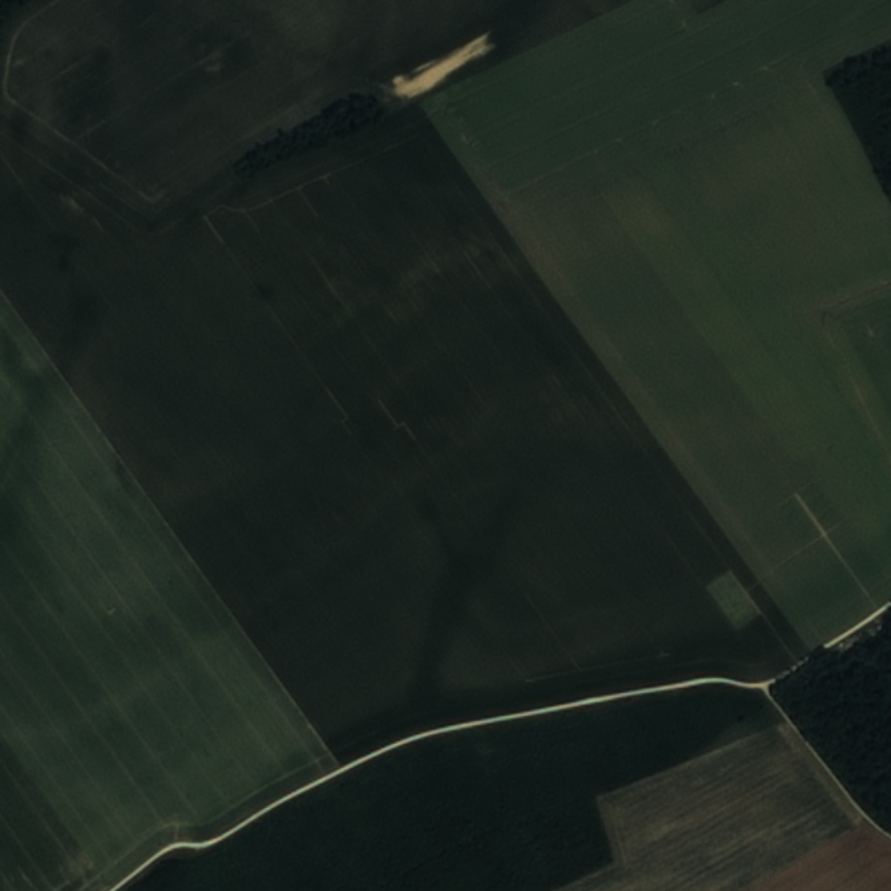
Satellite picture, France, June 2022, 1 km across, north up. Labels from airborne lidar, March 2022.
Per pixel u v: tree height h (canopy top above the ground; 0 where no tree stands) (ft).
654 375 0
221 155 0
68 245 0
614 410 0
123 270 0
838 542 0
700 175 0
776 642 0
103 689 0
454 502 0
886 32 0
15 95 0
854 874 0
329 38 0
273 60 0
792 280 0
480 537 0
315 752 0
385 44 0
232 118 0
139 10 0
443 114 0
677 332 0
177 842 0
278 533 0
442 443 0
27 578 0
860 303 0
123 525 0
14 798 0
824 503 0
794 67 0
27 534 0
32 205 0
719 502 0
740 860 0
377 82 0
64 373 0
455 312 0
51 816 0
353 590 0
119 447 0
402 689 0
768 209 0
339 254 0
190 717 0
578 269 0
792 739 0
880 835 0
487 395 0
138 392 0
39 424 0
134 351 0
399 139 0
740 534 0
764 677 0
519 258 0
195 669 0
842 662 31
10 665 0
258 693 0
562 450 0
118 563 0
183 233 0
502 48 0
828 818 0
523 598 0
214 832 0
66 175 0
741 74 0
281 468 0
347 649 0
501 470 0
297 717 0
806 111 0
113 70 0
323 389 0
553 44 0
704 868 0
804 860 0
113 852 0
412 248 0
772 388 0
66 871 0
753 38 0
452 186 0
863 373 0
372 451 0
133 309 0
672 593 0
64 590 0
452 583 0
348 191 0
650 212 0
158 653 0
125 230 0
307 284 0
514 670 0
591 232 0
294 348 0
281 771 0
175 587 0
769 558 0
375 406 0
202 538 0
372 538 0
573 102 0
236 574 0
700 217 0
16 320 0
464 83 0
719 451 0
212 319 0
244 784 0
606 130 0
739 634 0
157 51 0
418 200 0
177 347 0
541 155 0
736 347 0
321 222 0
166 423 0
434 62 0
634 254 0
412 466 0
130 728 0
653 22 0
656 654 0
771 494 0
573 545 0
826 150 0
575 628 0
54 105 0
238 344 0
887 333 0
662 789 0
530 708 0
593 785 0
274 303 0
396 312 0
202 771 0
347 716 0
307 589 0
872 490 0
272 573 0
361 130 47
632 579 0
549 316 0
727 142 0
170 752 0
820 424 0
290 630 0
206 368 0
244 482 0
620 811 0
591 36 0
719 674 0
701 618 0
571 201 0
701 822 0
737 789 0
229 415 0
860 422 0
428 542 0
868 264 0
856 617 0
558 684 0
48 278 0
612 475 0
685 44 0
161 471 0
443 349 0
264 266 0
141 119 0
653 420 0
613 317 0
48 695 0
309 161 0
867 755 56
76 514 0
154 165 0
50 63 0
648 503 0
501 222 0
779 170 0
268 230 0
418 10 0
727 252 0
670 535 0
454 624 0
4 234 0
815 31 0
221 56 0
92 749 0
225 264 0
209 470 0
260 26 0
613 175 0
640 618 0
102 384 0
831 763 42
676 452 0
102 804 0
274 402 0
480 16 0
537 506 0
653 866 0
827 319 0
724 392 0
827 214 0
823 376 0
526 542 0
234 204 0
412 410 0
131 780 0
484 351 0
